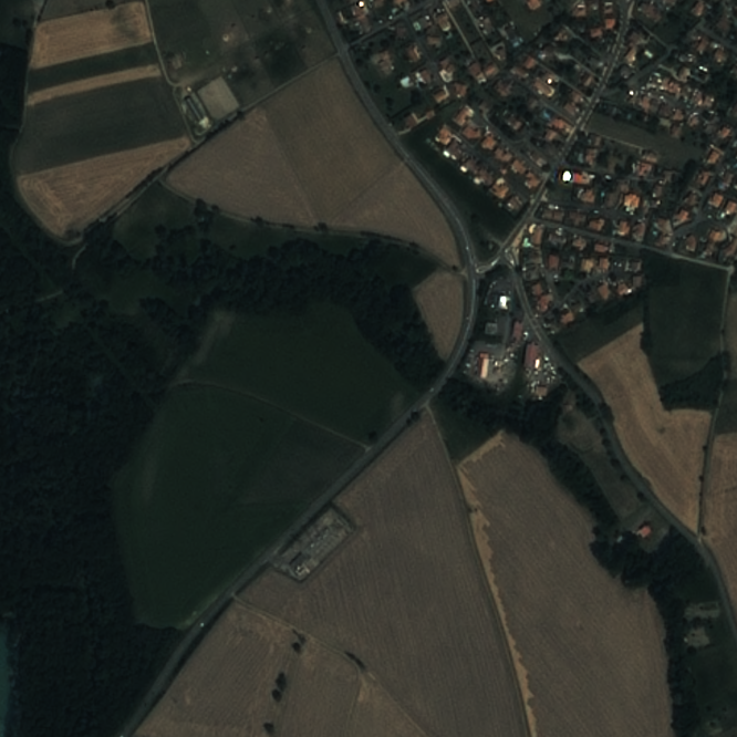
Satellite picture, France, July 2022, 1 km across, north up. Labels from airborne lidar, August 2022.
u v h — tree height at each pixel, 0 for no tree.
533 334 0
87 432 28
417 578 0
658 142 0
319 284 19
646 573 18
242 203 0
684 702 15
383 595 0
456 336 0
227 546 0
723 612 0
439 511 0
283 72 0
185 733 0
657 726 0
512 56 11
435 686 0
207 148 0
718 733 0
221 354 0
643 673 0
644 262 8
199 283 29
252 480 0
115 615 22
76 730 25
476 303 0
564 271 11
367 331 19
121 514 0
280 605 0
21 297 18
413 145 0
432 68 0
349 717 0
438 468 0
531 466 0
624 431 0
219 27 0
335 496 0
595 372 0
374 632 0
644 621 0
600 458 0
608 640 0
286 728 0
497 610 0
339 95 0
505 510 0
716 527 0
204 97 0
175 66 0
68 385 11
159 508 0
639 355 0
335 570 0
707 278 0
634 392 0
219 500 0
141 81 0
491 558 0
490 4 10
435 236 0
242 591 0
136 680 12
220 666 0
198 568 0
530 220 0
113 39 0
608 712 0
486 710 0
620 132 0
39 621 18
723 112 10
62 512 23
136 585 0
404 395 0
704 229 0
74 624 21
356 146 0
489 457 0
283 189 0
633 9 0
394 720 0
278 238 0
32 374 16
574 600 0
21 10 0
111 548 17
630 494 0
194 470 0
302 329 0
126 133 0
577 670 0
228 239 0
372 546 0
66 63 0
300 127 0
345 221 0
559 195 0
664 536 0
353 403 0
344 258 13
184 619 0
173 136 0
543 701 0
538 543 0
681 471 0
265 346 0
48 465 25
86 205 0
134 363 25
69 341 8
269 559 0
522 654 0
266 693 0
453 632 0
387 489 0
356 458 0
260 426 0
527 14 0
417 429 0
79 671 21
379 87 11
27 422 23
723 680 0
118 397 26
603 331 0
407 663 0
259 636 0
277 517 0
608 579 0
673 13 8
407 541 0
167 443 0
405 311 26
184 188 0
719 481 0
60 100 0
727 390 12
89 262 9
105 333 20
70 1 0
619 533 7
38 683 21
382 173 0
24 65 10
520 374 0
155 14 0
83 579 16
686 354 0
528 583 0
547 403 13
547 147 0
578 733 0
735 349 0
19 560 23
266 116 0
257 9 0
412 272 0
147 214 0
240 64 0
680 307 0
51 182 0
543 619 0
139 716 0
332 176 0
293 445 0
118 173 0
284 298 23
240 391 0
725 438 0
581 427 0
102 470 11
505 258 0
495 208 0
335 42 0
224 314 0
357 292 20
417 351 28
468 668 0
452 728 0
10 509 26
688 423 0
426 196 0
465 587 0
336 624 0
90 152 0
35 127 0
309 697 0
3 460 12
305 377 0
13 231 16
